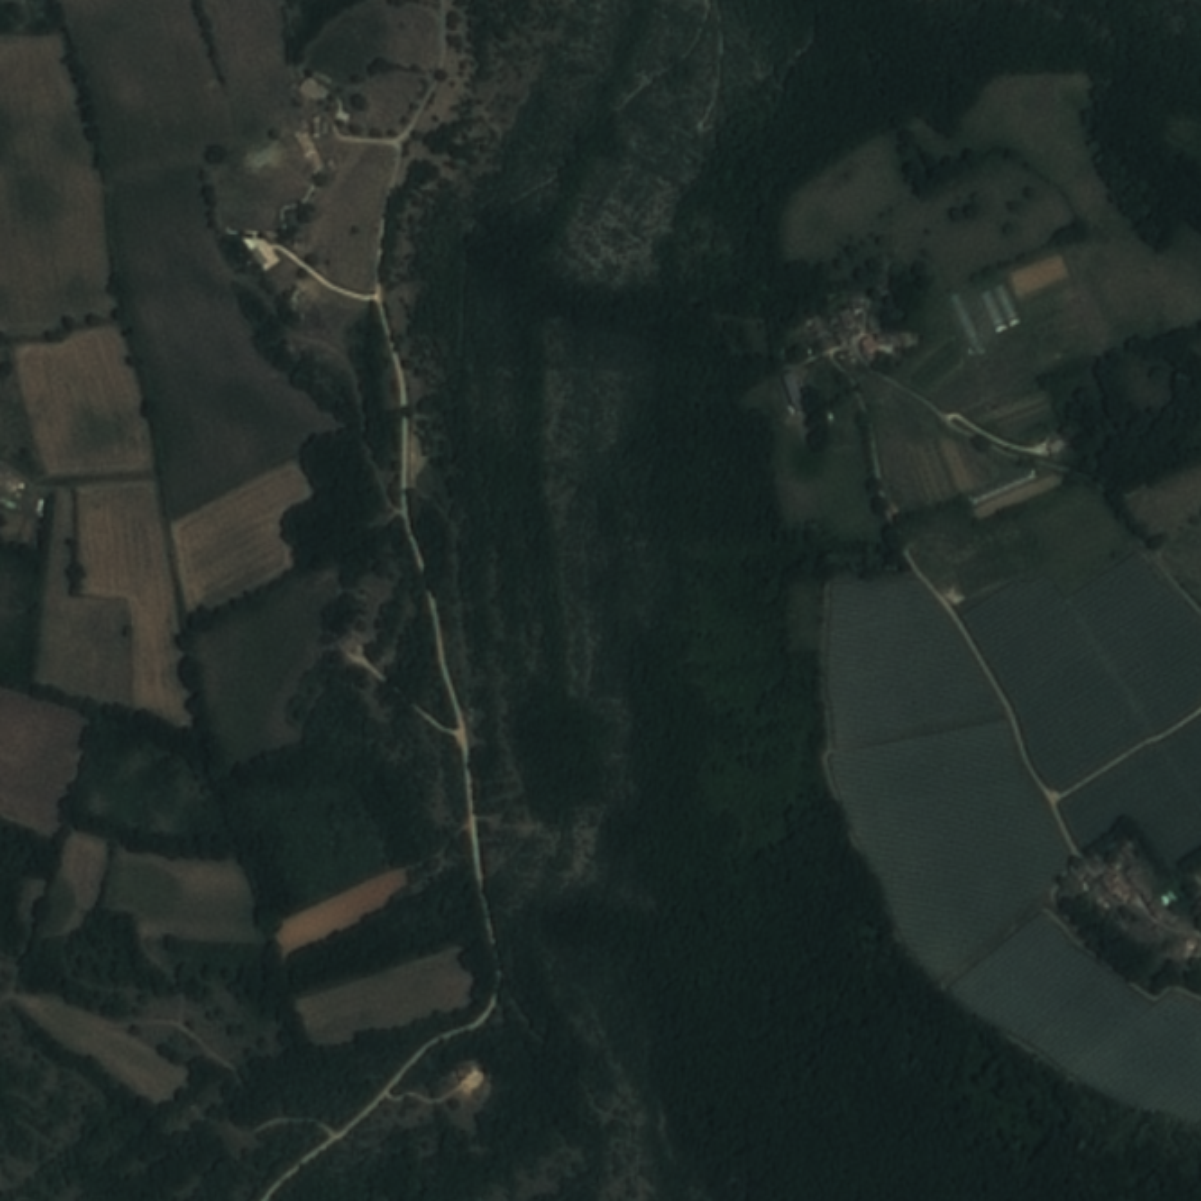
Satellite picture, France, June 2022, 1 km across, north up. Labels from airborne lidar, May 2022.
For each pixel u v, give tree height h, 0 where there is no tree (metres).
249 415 0
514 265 13
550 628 9
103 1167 6
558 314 6
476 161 8
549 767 8
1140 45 13
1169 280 0
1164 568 0
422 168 10
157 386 0
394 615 10
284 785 9
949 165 17
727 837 15
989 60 17
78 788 9
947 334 0
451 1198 9
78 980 8
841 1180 21
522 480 9
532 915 7
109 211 0
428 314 9
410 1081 6
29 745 0
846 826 19
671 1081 16
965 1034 22
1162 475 13
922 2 7
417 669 10
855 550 8
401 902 9
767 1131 20
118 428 0
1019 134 0
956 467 0
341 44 0
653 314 16
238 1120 10
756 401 0
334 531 12
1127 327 0
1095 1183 21
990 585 0
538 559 10
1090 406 14
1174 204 17
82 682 0
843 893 25
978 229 0
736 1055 20
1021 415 0
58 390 0
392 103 0
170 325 0
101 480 0
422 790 7
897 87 21
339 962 7
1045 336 0
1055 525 0
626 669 5
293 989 10
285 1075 8
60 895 0
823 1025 9
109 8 0
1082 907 11
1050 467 0
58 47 0
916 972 12
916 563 0
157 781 6
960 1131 19
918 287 11
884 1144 19
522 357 10
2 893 8
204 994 9
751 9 9
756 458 22
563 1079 7
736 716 13
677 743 16
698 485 13
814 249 0
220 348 0
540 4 7
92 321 13
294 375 11
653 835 17
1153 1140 18
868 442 6
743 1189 16
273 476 0
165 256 0
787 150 15
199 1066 12
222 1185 7
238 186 0
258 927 13
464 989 0
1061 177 0
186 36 0
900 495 0
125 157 0
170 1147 12
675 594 10
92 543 0
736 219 12
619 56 8
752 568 12
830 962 23
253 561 0
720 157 13
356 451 11
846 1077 23
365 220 0
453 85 6
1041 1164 23
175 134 0
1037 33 14
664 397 12
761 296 16
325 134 0
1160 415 9
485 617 6
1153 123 19
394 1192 12
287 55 6
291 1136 6
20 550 10
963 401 0
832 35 17
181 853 15
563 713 12
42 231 0
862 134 17
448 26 7
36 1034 8
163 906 0
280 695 0
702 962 18
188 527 0
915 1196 20
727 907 22
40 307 0
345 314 0
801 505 0
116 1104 11
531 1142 12
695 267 10
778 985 22
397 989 0
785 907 17
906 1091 23
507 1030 9
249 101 0
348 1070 9
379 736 7
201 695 10
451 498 9
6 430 0
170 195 0
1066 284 0
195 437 0
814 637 0
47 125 0
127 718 15
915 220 0
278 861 6
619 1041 6
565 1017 9
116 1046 0
